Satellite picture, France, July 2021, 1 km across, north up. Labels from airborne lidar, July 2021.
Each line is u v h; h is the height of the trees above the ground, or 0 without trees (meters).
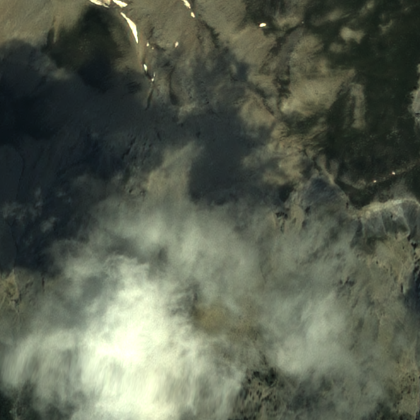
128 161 0
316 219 0
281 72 0
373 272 0
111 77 0
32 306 0
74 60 0
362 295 0
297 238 0
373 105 0
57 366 0
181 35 0
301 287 0
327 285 0
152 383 0
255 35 0
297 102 0
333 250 0
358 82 0
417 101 0
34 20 0
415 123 0
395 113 0
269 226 0
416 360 0
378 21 0
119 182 0
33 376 8
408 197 0
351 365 0
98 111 0
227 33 0
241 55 0
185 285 0
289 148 0
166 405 0
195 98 0
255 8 0
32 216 0
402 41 0
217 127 0
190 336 7
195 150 0
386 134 0
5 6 0
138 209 0
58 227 0
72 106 0
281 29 0
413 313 0
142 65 0
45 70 0
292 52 0
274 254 0
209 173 0
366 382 0
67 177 0
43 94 0
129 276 0
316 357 0
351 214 0
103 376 0
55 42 0
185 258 0
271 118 0
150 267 0
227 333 0
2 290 0
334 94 0
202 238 0
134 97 0
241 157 0
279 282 0
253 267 0
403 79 0
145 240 0
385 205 0
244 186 0
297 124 0
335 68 0
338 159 0
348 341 0
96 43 0
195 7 0
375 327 0
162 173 0
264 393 0
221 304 0
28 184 0
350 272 0
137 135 0
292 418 0
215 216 0
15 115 0
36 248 0
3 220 0
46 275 0
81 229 0
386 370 0
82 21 0
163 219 0
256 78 0
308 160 0
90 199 0
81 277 0
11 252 0
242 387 13
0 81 0
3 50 0
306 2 0
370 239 0
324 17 0
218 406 0
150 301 0
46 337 0
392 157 0
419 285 0
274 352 0
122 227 0
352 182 0
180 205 0
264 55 0
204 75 0
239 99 0
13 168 0
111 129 0
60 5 0
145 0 0
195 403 0
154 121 0
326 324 0
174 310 0
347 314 0
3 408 6
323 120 0
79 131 0
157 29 0
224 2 0
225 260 0
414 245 0
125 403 7
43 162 0
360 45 0
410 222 0
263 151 0
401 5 0
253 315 0
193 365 0
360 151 0
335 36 0
